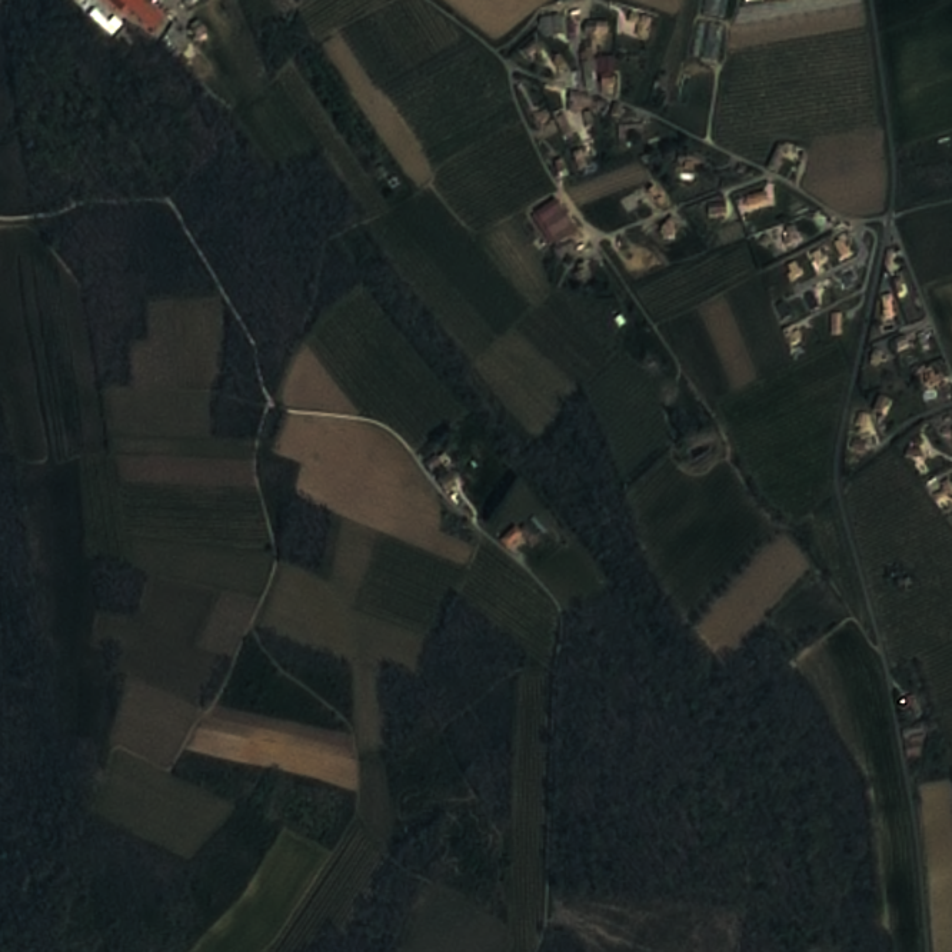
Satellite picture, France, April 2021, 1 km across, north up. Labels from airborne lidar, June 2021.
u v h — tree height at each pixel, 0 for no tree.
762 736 15
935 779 12
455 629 16
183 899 14
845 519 0
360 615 0
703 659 20
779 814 18
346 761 0
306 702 0
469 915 0
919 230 0
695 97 0
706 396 0
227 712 0
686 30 0
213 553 0
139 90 17
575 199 0
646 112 0
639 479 15
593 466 25
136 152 21
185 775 7
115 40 8
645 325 6
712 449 0
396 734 15
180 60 15
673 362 8
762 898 18
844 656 0
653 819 19
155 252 20
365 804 0
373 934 13
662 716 20
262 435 20
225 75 0
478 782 18
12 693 8
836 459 0
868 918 20
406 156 0
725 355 0
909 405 0
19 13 19
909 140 0
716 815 18
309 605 0
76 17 10
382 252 14
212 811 0
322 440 0
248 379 18
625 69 0
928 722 13
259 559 0
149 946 12
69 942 7
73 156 19
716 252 0
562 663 14
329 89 13
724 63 0
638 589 17
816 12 0
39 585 7
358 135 11
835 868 6
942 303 0
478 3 0
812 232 0
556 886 18
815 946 24
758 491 18
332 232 21
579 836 17
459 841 9
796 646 11
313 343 0
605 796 18
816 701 19
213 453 0
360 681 0
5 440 12
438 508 0
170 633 0
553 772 16
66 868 8
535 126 7
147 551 0
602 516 16
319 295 17
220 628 0
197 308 0
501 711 17
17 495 14
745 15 0
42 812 13
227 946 0
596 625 11
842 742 15
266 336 19
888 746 0
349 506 0
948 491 0
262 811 15
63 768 13
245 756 0
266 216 19
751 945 16
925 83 0
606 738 17
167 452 0
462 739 14
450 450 15
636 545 16
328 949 18
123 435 0
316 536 16
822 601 0
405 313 10
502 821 14
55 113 17
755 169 7
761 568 0
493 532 0
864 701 0
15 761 18
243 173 17
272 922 0
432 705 17
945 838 0
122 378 10
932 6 0
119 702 12
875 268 0
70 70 18
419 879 12
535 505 0
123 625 0
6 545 19
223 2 0
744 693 18
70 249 16
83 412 0
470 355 9
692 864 20
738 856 19
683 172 0
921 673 9
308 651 10
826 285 0
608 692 16
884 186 0
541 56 9
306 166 20
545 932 15
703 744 19
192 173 21
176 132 16
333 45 0
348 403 0
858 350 0
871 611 0
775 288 0
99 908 9
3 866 14
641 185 0
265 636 9
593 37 8
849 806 21
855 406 0
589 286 12
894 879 0
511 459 13
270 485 7
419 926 0
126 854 12
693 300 0
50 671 11
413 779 6
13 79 17
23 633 17
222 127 19
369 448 0
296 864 0
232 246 19
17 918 15
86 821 13
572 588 0
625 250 0
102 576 8
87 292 10
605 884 23
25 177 7
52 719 12
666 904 22
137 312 15
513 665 23
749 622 0
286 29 9
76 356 0
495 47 0
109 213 23
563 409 18
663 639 17
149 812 0
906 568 10
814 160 0
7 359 0
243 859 8
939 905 0
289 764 0
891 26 0
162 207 22
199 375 0
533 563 0
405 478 0
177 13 0
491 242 0
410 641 0
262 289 19
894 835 0
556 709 18
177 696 0
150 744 0
